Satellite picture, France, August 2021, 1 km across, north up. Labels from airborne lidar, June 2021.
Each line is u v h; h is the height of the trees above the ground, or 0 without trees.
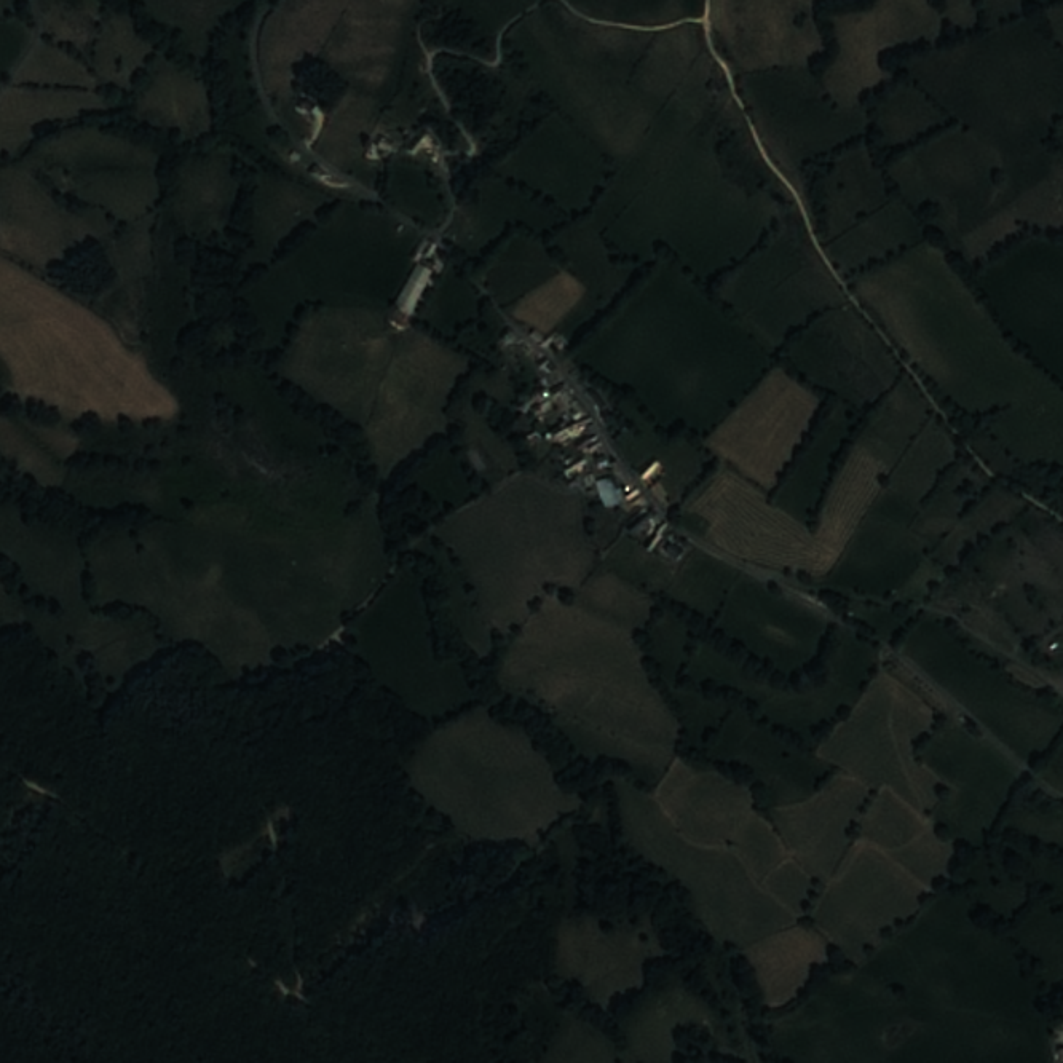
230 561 0
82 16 0
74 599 0
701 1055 14
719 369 0
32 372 0
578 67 0
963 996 0
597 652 0
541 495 0
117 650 0
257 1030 19
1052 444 0
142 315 0
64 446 0
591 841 12
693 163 0
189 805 23
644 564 0
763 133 0
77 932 20
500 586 0
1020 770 0
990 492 8
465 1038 25
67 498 14
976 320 0
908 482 0
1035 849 18
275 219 0
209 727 22
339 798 24
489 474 0
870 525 0
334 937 17
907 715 0
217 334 25
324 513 0
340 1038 15
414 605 0
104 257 19
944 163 0
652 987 12
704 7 0
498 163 10
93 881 19
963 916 0
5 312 0
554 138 0
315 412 18
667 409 0
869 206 0
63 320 0
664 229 0
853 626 11
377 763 26
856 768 0
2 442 0
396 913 0
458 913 11
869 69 0
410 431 0
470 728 0
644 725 0
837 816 0
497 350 7
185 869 16
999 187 12
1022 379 0
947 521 0
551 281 0
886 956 0
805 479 0
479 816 0
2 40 0
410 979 20
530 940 18
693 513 0
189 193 0
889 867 0
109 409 0
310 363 0
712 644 16
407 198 0
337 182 0
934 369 0
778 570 0
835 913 0
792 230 10
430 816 23
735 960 11
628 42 0
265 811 18
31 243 0
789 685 12
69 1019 14
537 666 0
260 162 8
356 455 10
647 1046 0
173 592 0
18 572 15
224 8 0
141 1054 16
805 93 0
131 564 0
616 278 0
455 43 7
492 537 0
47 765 16
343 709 24
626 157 0
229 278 20
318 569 0
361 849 24
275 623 0
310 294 0
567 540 0
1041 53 0
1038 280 0
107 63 0
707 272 0
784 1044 0
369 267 0
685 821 0
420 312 9
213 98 16
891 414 0
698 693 6
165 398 0
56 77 0
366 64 0
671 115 0
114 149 0
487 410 17
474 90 8
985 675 0
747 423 0
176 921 15
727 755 0
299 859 17
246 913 14
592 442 0
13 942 17
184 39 15
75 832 13
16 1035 17
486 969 16
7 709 17
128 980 17
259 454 0
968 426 7
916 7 0
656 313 0
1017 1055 0
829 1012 0
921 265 0
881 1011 0
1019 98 0
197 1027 18
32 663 16
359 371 0
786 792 0
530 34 0
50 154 0
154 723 24
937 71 0
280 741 26
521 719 17
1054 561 0
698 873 0
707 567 0
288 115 0
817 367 0
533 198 7
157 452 10
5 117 0
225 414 13
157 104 0
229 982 17
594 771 19
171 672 20
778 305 0
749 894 0
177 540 0
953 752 0
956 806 0
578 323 0
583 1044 0
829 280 0
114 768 19
